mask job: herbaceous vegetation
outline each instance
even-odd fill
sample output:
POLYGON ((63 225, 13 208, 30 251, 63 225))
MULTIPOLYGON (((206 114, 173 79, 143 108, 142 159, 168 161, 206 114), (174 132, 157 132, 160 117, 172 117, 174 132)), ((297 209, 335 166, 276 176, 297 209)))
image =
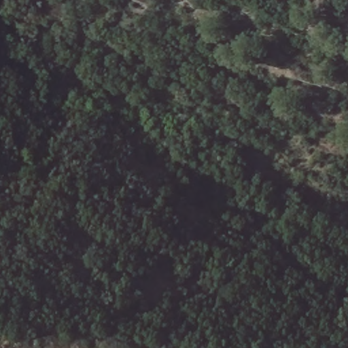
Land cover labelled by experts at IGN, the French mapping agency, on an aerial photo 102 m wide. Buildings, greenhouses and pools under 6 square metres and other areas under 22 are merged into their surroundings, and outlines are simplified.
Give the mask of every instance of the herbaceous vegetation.
POLYGON ((200 10, 192 0, 178 0, 182 7, 185 5, 192 8, 193 18, 203 23, 205 19, 215 18, 219 14, 213 10, 200 10))
POLYGON ((336 128, 322 137, 318 145, 307 144, 302 135, 292 136, 290 140, 292 148, 299 147, 302 150, 307 169, 318 171, 319 174, 326 173, 332 169, 332 164, 315 166, 313 159, 318 159, 321 152, 337 154, 338 130, 348 124, 348 110, 340 111, 334 116, 336 128))
POLYGON ((280 76, 277 79, 277 87, 285 87, 285 90, 298 88, 306 94, 311 86, 317 86, 337 90, 343 94, 348 92, 348 91, 347 83, 333 82, 333 64, 328 61, 309 65, 313 77, 309 80, 300 76, 299 68, 295 68, 294 71, 288 69, 271 65, 269 73, 280 76))
POLYGON ((223 24, 227 27, 227 37, 234 41, 235 35, 245 30, 256 31, 256 26, 251 22, 249 15, 242 14, 241 7, 232 5, 230 10, 223 14, 223 24))

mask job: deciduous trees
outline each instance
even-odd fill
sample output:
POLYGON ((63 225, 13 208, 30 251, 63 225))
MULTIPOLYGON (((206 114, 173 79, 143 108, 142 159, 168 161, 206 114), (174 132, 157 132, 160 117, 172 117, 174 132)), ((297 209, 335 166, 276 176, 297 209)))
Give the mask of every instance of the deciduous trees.
POLYGON ((200 10, 213 10, 219 14, 215 18, 205 19, 203 23, 193 18, 192 8, 185 5, 182 7, 178 0, 0 0, 0 348, 348 348, 348 124, 338 130, 337 154, 321 152, 318 159, 313 159, 315 166, 332 164, 332 169, 326 173, 319 174, 318 171, 307 169, 302 150, 299 147, 292 148, 290 140, 292 136, 302 135, 307 144, 318 145, 322 137, 336 128, 334 116, 340 111, 348 110, 348 92, 343 94, 337 90, 317 86, 311 86, 306 94, 298 88, 285 90, 285 87, 277 87, 277 79, 280 76, 269 73, 271 65, 264 64, 266 57, 273 57, 271 50, 266 48, 265 38, 272 38, 279 29, 287 34, 292 46, 303 50, 288 69, 294 71, 295 68, 299 68, 300 76, 309 80, 313 77, 309 65, 328 61, 333 64, 333 82, 347 83, 348 91, 348 37, 341 35, 336 27, 322 22, 322 11, 333 7, 334 15, 340 16, 348 5, 348 0, 192 0, 200 10), (232 5, 241 7, 242 14, 249 15, 251 22, 256 26, 256 31, 245 30, 235 35, 234 41, 227 37, 227 27, 223 24, 223 14, 230 10, 232 5))

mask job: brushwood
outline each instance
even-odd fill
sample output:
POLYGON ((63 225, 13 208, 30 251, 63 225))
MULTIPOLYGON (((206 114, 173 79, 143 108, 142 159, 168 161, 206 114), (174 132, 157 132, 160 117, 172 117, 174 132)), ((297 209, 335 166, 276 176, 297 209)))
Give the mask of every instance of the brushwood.
POLYGON ((287 34, 279 29, 272 38, 265 38, 266 48, 271 50, 273 57, 266 57, 264 64, 271 65, 288 69, 303 50, 292 46, 287 34))
POLYGON ((336 27, 341 35, 348 37, 348 5, 340 16, 334 15, 333 7, 322 11, 322 22, 336 27))

